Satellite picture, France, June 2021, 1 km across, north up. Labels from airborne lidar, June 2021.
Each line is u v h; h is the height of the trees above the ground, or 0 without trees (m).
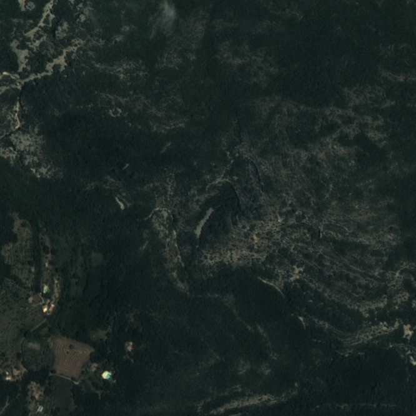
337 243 8
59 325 10
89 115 9
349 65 6
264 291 15
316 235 7
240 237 7
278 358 5
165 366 7
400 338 12
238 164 7
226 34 6
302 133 9
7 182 7
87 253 6
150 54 9
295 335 17
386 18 7
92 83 8
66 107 6
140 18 7
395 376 15
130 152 8
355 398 10
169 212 10
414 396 11
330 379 11
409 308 8
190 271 8
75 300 10
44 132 7
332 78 8
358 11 6
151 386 6
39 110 8
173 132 7
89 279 12
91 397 14
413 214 5
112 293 13
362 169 8
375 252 8
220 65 6
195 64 6
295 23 8
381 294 9
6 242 11
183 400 6
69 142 11
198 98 7
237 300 9
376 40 6
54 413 11
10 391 7
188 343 6
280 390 9
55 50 7
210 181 6
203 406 9
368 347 10
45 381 8
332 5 6
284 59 7
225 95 11
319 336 12
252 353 11
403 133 6
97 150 8
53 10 7
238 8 6
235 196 9
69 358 0
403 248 8
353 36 8
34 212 11
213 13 8
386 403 9
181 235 8
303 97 6
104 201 12
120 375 14
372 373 17
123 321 12
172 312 8
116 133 8
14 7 11
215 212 12
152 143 8
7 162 7
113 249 9
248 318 9
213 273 9
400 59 7
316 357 7
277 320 12
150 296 7
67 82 6
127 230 10
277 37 7
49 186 10
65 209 14
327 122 6
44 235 10
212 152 6
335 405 10
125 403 6
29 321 0
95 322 8
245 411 6
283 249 8
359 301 5
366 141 9
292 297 11
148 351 8
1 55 10
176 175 9
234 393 9
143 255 8
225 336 8
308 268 6
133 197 5
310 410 12
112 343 15
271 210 0
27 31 7
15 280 13
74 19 6
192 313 9
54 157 9
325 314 8
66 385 0
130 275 10
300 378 7
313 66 8
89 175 8
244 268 13
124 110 8
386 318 9
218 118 9
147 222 9
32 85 11
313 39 7
